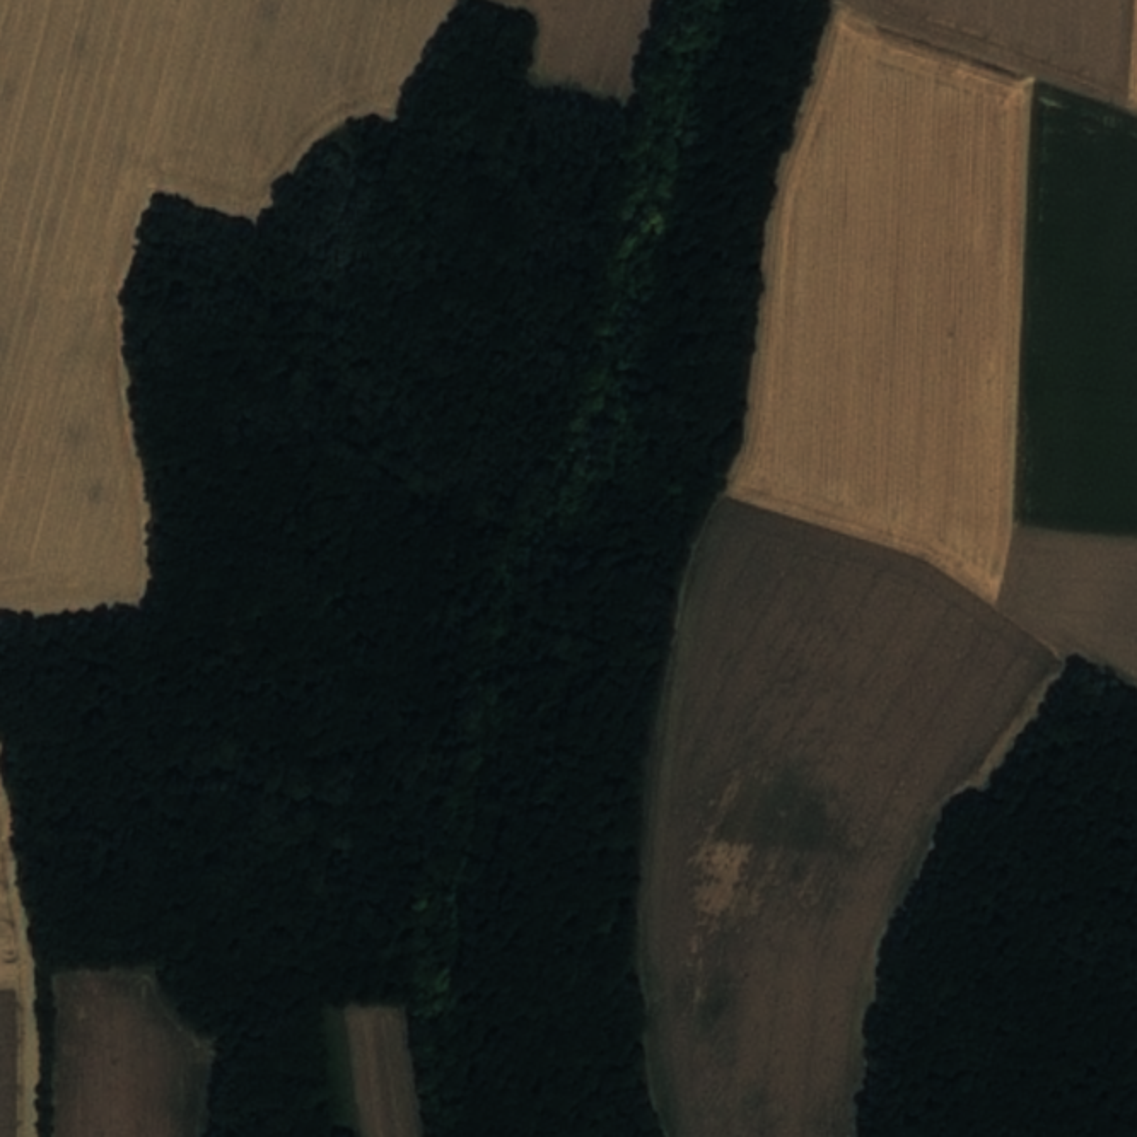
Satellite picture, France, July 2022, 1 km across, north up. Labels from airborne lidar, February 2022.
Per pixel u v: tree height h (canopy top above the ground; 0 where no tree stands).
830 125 0
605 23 0
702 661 0
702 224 25
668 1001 0
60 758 22
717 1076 0
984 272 0
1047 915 24
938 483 0
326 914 28
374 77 0
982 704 0
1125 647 0
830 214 0
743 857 0
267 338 28
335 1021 0
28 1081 0
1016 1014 24
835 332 0
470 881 18
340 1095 0
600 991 25
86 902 22
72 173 0
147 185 0
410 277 25
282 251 17
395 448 26
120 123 0
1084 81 0
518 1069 23
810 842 0
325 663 26
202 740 31
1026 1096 26
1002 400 0
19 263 0
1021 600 0
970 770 0
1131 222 0
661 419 24
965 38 0
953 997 22
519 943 24
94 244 0
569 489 17
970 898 23
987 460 0
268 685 21
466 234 27
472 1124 25
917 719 0
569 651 23
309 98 0
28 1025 0
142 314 23
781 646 0
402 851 18
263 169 0
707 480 22
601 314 21
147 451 23
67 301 0
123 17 0
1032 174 0
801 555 0
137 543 0
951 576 0
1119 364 0
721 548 0
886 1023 17
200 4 0
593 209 26
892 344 0
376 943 26
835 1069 0
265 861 24
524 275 29
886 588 0
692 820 0
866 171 0
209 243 23
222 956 28
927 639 0
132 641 24
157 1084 0
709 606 0
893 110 0
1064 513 0
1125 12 0
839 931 0
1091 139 0
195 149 0
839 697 0
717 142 23
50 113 0
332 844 18
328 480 25
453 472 25
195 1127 0
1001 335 0
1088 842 26
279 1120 29
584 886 25
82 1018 0
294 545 26
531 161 7
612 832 24
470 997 24
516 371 29
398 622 29
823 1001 0
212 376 28
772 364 0
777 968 0
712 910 0
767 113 22
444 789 18
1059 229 0
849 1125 0
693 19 19
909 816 0
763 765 0
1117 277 0
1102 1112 26
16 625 21
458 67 26
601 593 22
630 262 17
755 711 0
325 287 19
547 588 10
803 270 0
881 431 0
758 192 21
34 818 20
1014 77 0
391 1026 0
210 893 28
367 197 29
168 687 23
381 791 24
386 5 0
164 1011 0
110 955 22
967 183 0
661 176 21
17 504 0
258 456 27
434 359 18
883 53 0
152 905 26
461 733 23
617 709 23
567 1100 26
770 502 0
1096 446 0
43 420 0
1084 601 0
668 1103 0
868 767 0
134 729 28
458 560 13
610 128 28
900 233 0
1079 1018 22
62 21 0
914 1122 22
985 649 0
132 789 27
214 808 30
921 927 19
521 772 13
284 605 27
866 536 0
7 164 0
